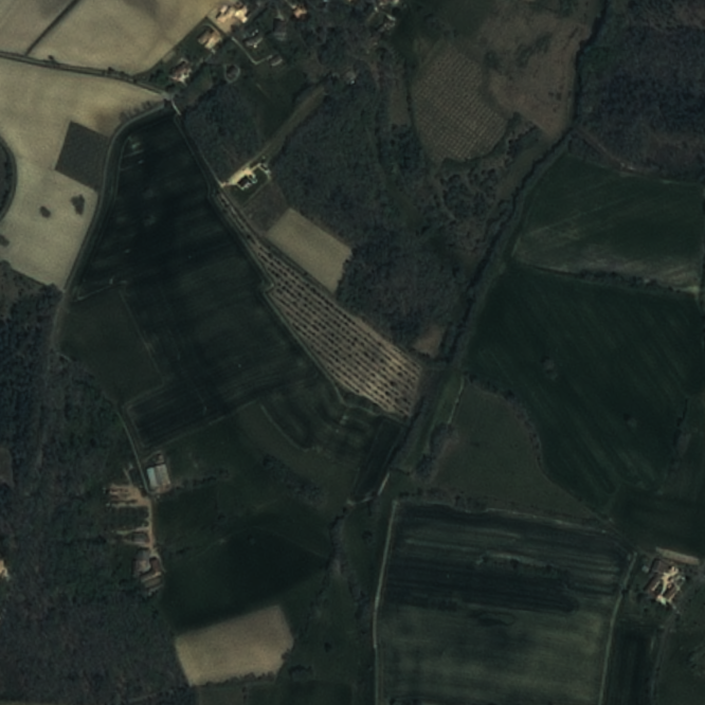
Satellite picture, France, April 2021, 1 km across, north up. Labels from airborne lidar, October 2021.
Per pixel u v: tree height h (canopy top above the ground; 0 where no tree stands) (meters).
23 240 0
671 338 0
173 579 0
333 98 16
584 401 0
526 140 13
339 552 15
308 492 16
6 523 15
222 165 21
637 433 0
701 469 0
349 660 0
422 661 0
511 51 0
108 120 0
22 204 0
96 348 0
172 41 0
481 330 0
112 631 26
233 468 0
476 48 0
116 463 0
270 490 0
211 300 0
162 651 23
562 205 0
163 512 0
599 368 0
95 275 0
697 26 7
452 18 0
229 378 0
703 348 0
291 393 0
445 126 0
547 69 0
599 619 0
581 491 0
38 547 21
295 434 0
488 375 0
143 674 21
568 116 0
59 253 0
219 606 0
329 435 0
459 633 0
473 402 0
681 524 0
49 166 0
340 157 18
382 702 0
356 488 0
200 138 22
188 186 0
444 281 16
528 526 0
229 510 0
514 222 18
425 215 11
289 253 0
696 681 0
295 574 0
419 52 0
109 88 0
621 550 0
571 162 0
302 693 0
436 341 0
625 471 0
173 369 0
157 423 0
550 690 0
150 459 0
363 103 21
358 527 0
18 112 0
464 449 0
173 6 0
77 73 0
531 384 0
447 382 0
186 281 0
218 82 11
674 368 0
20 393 6
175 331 0
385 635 0
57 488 18
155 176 0
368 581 0
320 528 0
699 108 20
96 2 0
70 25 0
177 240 0
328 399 0
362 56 17
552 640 0
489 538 0
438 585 0
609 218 0
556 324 0
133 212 0
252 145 21
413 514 0
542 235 0
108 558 26
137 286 0
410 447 11
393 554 0
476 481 0
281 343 0
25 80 0
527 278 0
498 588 0
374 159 15
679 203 0
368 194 23
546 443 0
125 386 0
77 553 29
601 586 0
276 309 0
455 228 17
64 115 0
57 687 21
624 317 0
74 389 21
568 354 0
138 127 0
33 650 21
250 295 0
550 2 0
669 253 0
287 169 19
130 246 0
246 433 0
